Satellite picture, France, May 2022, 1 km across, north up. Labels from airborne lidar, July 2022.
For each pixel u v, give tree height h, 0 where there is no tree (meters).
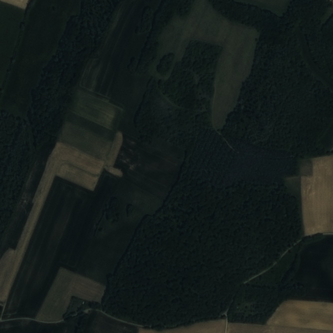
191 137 7
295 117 17
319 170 0
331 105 23
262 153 12
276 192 21
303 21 22
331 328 0
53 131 27
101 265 0
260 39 8
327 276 0
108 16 27
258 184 14
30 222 0
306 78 27
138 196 0
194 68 7
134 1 0
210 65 9
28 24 0
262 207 25
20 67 0
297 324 0
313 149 16
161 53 0
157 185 0
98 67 0
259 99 6
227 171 9
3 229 16
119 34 0
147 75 7
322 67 21
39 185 0
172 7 19
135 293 24
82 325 20
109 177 0
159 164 0
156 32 14
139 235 20
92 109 0
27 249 0
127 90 0
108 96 0
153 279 23
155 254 24
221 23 0
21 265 0
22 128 26
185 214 25
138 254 26
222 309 15
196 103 6
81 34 26
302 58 23
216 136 10
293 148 20
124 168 0
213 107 0
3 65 0
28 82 0
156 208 0
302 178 0
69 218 0
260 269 16
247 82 15
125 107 0
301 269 0
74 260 0
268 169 11
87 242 0
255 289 16
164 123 9
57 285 0
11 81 0
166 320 22
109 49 0
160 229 25
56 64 28
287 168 10
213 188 20
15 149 27
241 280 17
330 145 0
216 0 16
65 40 22
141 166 0
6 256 0
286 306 0
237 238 23
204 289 19
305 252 0
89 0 23
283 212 26
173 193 14
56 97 25
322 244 0
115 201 21
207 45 8
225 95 0
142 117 18
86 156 0
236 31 0
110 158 0
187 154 15
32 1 18
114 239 0
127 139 0
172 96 11
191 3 10
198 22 0
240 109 15
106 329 0
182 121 11
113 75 0
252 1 0
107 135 0
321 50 15
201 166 13
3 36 0
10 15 0
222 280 22
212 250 24
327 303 0
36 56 0
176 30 0
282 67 19
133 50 0
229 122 16
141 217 0
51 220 0
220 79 0
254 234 21
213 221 26
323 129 23
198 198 24
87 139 0
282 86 19
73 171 0
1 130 26
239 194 26
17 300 0
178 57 0
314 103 20
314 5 13
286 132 10
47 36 0
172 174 0
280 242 26
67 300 0
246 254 19
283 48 20
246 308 8
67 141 0
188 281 28
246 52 0
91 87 0
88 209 0
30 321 0
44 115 23
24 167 26
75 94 0
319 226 0
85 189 0
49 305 0
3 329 0
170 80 7
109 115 0
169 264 17
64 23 0
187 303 24
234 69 0
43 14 0
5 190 31
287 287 21
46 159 0
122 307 18
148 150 0
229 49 0
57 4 0
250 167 11
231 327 0
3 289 0
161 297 26
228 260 21
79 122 0
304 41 0
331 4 11
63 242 0
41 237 0
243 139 8
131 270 25
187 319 16
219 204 24
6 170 27
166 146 0
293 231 22
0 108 0
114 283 19
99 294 0
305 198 0
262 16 22
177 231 26
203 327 0
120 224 0
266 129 17
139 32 13
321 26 12
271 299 17
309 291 0
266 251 22
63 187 0
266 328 0
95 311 0
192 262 26
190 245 26
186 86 10
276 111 15
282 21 20
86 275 0
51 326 0
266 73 17
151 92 13
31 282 0
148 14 14
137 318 20
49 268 0
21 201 0
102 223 0
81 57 27
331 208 0
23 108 0
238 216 20
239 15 17
